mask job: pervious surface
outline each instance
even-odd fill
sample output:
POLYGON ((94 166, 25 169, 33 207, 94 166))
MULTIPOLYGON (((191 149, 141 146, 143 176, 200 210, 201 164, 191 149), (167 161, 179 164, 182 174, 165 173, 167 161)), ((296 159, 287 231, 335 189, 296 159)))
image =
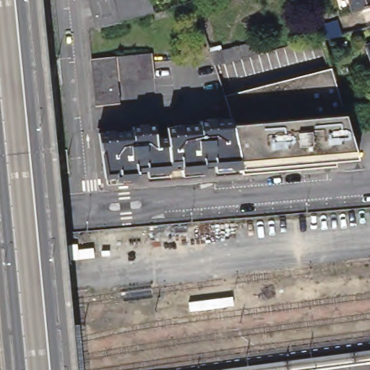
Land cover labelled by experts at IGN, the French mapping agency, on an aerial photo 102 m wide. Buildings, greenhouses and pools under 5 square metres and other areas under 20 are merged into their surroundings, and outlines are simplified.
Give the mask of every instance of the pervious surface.
POLYGON ((240 207, 236 214, 231 215, 74 227, 74 238, 77 243, 72 246, 72 254, 77 263, 79 309, 81 319, 85 321, 84 338, 88 341, 85 358, 90 361, 90 370, 370 370, 370 202, 269 212, 246 211, 240 207))

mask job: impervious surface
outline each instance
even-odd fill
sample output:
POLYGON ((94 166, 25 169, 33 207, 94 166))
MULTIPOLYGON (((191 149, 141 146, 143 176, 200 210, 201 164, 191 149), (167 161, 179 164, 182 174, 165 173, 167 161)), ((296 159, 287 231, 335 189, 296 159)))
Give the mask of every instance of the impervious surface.
POLYGON ((363 23, 364 35, 369 36, 370 36, 370 7, 361 12, 351 13, 340 19, 343 25, 354 26, 363 23))
POLYGON ((269 212, 370 202, 370 133, 361 134, 358 162, 340 165, 337 169, 324 169, 318 173, 273 173, 267 178, 251 175, 244 178, 237 175, 207 178, 204 175, 197 181, 139 181, 136 185, 124 185, 119 178, 107 173, 106 152, 101 137, 107 133, 107 129, 120 133, 132 132, 133 127, 150 124, 158 129, 166 120, 179 120, 182 123, 186 121, 188 126, 197 126, 199 121, 207 121, 212 129, 236 129, 237 124, 234 121, 220 116, 218 111, 224 103, 224 94, 228 94, 236 85, 247 90, 328 68, 324 59, 325 55, 328 55, 325 40, 318 51, 311 51, 306 45, 291 43, 286 48, 273 52, 257 53, 250 51, 246 45, 223 49, 225 42, 211 40, 208 36, 205 27, 207 19, 199 16, 194 25, 204 36, 205 49, 202 53, 205 55, 205 66, 198 69, 175 65, 168 53, 155 53, 153 55, 156 64, 159 65, 159 71, 155 72, 152 81, 153 92, 139 95, 134 100, 121 101, 120 106, 114 107, 103 107, 95 101, 92 88, 92 58, 91 53, 88 40, 90 27, 87 26, 87 17, 91 16, 91 10, 87 0, 0 0, 0 370, 90 370, 90 361, 85 358, 88 341, 84 338, 85 321, 81 319, 79 309, 77 263, 72 254, 72 246, 77 243, 74 238, 74 227, 231 215, 236 214, 240 207, 246 211, 269 212))

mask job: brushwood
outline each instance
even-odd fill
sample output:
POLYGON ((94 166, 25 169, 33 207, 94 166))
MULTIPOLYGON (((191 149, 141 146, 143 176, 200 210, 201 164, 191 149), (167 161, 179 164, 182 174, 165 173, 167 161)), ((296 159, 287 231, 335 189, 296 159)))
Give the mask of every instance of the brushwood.
POLYGON ((364 35, 363 23, 354 26, 343 25, 340 30, 345 38, 324 38, 325 40, 328 55, 325 55, 324 59, 328 68, 331 68, 335 65, 338 69, 348 68, 353 59, 363 55, 367 49, 369 36, 364 35))
POLYGON ((348 6, 338 7, 340 0, 280 0, 286 22, 304 6, 311 13, 322 7, 325 9, 324 19, 340 19, 351 13, 348 6))
POLYGON ((143 53, 153 55, 155 53, 150 46, 133 45, 91 53, 92 58, 143 53))
POLYGON ((175 0, 149 0, 153 6, 152 13, 121 20, 117 25, 101 30, 104 39, 123 39, 129 36, 133 26, 150 26, 152 17, 166 19, 169 13, 173 14, 175 0))

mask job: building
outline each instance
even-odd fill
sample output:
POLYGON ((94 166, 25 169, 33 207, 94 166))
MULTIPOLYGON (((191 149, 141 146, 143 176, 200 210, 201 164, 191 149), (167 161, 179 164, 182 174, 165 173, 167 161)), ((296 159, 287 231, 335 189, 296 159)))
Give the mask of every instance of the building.
POLYGON ((356 113, 358 97, 344 75, 335 78, 334 69, 331 68, 328 68, 247 90, 236 85, 228 94, 224 94, 224 103, 218 111, 220 116, 234 121, 237 124, 236 129, 212 129, 207 121, 199 121, 197 126, 188 126, 186 121, 182 123, 179 120, 166 120, 158 129, 150 124, 133 127, 132 132, 120 133, 107 129, 107 133, 101 137, 106 152, 107 173, 119 178, 124 185, 136 185, 139 181, 197 181, 204 175, 207 178, 237 175, 244 178, 251 175, 267 178, 273 173, 318 173, 324 169, 337 169, 340 165, 358 162, 361 134, 360 121, 356 113))
POLYGON ((366 55, 370 62, 370 36, 369 36, 367 49, 363 55, 366 55))
POLYGON ((370 7, 370 0, 340 0, 338 7, 348 6, 351 13, 361 12, 370 7))
POLYGON ((159 65, 156 64, 153 55, 143 53, 92 58, 92 88, 95 101, 103 107, 114 107, 120 106, 121 101, 134 100, 139 95, 153 92, 152 81, 155 72, 159 71, 159 65))
POLYGON ((91 16, 87 17, 87 26, 90 27, 94 27, 97 32, 101 30, 117 25, 121 20, 152 13, 153 6, 149 0, 87 0, 91 10, 91 16))
POLYGON ((345 38, 340 30, 343 25, 340 19, 324 19, 318 29, 324 38, 345 38))

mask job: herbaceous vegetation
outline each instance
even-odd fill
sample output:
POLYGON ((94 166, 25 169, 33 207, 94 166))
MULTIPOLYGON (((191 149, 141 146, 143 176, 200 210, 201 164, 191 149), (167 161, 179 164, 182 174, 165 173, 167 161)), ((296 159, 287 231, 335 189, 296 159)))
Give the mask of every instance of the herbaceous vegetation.
POLYGON ((172 29, 172 23, 176 20, 173 14, 169 13, 166 19, 152 17, 150 26, 133 26, 129 36, 123 39, 104 39, 101 30, 97 32, 94 27, 90 27, 88 40, 91 53, 133 45, 150 46, 155 53, 168 53, 171 51, 169 39, 178 39, 178 33, 172 29))
POLYGON ((225 42, 223 49, 246 45, 244 39, 247 38, 247 17, 251 14, 272 12, 276 14, 282 27, 286 26, 286 22, 280 0, 228 0, 230 6, 225 12, 218 17, 207 19, 205 27, 208 36, 211 40, 225 42))
POLYGON ((335 65, 331 68, 334 69, 335 78, 344 75, 348 74, 348 69, 357 65, 364 66, 370 71, 370 62, 366 55, 363 55, 353 59, 348 68, 338 69, 335 65))

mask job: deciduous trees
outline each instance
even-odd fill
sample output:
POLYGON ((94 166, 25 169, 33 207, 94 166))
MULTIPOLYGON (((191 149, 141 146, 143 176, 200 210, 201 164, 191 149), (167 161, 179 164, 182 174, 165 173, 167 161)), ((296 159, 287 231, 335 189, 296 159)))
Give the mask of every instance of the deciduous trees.
POLYGON ((244 39, 246 45, 250 51, 257 53, 273 52, 286 48, 291 43, 306 45, 311 51, 318 51, 325 40, 324 38, 318 29, 324 19, 325 9, 322 7, 311 13, 304 6, 286 22, 286 26, 282 27, 276 14, 272 12, 251 14, 247 17, 247 38, 244 39))
POLYGON ((360 121, 361 134, 370 133, 370 71, 364 66, 357 65, 348 69, 348 74, 344 75, 358 97, 356 113, 360 121))
POLYGON ((176 20, 172 23, 172 29, 178 33, 178 39, 169 39, 171 51, 168 53, 175 65, 198 69, 205 66, 205 55, 202 53, 205 49, 204 36, 194 25, 199 16, 207 19, 218 17, 225 12, 230 6, 228 0, 175 0, 173 14, 176 20))

